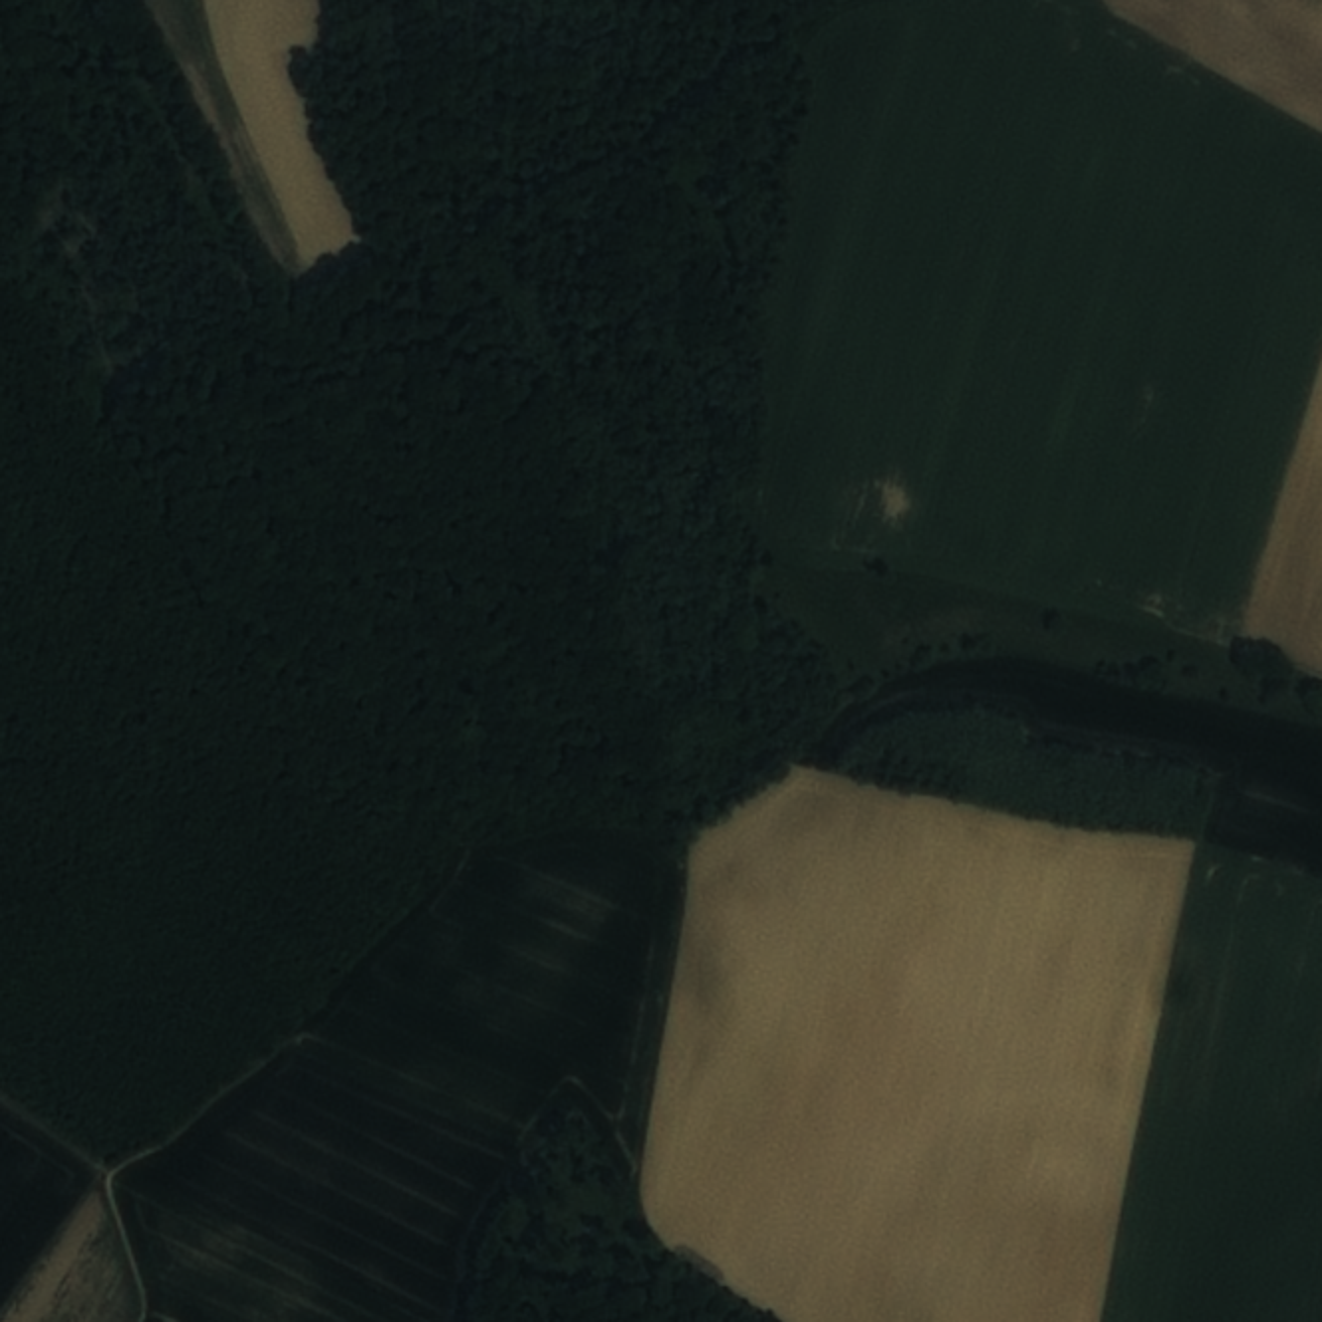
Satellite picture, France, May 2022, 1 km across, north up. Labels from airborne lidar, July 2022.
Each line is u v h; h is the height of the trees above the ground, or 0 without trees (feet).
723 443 103
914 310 0
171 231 94
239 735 82
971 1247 0
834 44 0
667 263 90
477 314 99
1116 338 0
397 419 95
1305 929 0
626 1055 0
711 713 73
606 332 93
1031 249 0
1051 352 0
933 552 0
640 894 0
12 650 80
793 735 69
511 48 77
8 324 63
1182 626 0
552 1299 99
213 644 76
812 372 0
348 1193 0
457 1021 0
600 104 76
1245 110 0
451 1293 0
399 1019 0
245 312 87
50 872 64
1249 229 0
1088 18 0
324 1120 0
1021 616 0
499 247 100
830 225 0
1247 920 0
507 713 90
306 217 0
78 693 70
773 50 109
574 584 85
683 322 93
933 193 0
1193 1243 0
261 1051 45
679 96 54
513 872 0
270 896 57
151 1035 48
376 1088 0
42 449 57
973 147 0
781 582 0
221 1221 0
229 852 70
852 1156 0
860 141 0
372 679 95
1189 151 0
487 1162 0
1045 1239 0
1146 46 0
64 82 89
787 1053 0
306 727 78
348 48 65
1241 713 0
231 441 94
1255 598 0
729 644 98
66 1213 0
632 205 113
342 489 105
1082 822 53
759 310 57
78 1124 28
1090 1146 0
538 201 102
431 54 103
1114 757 57
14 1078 24
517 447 114
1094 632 0
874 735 65
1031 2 0
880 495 0
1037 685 0
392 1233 0
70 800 80
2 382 53
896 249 0
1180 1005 0
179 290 84
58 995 29
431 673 90
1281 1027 0
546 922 0
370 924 73
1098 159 0
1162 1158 0
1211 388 0
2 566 87
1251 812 0
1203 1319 0
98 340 79
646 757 96
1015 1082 0
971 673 0
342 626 96
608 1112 0
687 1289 86
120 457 53
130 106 101
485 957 0
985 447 0
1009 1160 0
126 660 71
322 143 80
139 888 47
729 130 99
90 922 36
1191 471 0
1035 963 0
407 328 101
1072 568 0
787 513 0
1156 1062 0
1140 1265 0
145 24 77
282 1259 0
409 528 101
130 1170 0
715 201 103
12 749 78
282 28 0
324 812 83
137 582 77
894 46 0
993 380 0
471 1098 0
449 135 81
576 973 0
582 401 54
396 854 75
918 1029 0
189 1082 46
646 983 0
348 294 83
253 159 0
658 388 99
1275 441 0
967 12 0
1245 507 0
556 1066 0
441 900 0
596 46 70
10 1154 0
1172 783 74
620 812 75
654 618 84
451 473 105
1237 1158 0
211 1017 50
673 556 97
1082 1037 0
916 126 0
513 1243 83
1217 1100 0
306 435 107
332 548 96
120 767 79
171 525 65
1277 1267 0
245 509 105
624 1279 93
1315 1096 0
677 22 88
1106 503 0
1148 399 0
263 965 52
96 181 63
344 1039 0
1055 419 0
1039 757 75
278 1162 0
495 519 102
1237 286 0
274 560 98
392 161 80
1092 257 0
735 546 79
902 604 0
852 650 0
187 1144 0
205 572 90
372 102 93
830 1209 0
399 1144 0
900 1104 0
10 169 99
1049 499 0
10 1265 0
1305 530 0
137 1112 41
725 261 25
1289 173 0
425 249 86
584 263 114
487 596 101
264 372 105
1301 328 0
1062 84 0
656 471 110
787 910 0
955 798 52
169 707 79
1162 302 0
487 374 108
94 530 51
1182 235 0
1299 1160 0
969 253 0
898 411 0
